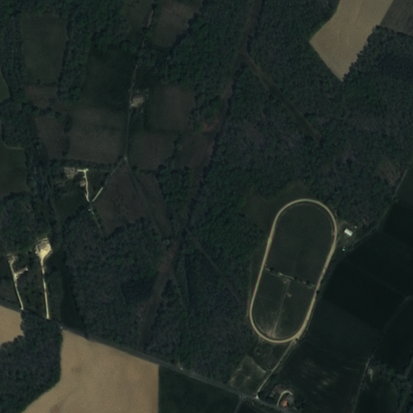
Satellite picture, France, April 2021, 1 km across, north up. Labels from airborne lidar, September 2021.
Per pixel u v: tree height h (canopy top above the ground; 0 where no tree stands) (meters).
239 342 14
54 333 23
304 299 0
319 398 0
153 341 14
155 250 23
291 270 0
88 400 0
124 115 0
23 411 13
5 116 16
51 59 0
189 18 0
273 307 0
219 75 24
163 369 0
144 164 0
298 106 15
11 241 21
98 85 0
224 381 8
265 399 14
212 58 24
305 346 0
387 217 12
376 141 22
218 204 24
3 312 0
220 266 24
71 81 21
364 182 27
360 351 0
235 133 17
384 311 0
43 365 21
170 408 0
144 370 0
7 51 16
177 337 15
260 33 14
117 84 0
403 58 24
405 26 0
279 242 0
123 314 21
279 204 0
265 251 0
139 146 0
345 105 18
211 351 15
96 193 14
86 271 15
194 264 17
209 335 19
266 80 0
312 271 0
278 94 0
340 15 0
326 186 24
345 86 24
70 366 0
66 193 6
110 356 0
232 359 20
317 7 22
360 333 0
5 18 25
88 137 0
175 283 12
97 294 20
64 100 21
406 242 0
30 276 20
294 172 19
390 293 0
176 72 19
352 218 22
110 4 19
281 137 25
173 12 0
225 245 28
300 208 0
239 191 23
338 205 24
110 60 0
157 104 0
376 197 26
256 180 21
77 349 0
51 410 0
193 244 24
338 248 0
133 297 17
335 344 0
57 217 25
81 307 13
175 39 0
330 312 0
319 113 8
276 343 0
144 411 0
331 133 20
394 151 23
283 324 0
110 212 0
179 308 21
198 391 0
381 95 23
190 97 0
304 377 0
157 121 0
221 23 27
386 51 17
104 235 8
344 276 0
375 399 0
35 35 0
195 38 27
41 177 29
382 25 0
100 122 0
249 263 16
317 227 0
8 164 0
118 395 0
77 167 14
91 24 26
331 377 0
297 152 21
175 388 0
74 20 23
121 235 22
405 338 0
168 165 7
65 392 0
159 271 20
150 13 0
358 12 0
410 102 23
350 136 20
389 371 18
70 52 14
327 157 24
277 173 24
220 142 20
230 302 14
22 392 24
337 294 0
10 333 0
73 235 21
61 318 0
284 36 15
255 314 0
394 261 0
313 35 21
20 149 12
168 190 27
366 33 0
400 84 23
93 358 0
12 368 16
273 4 20
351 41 0
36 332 20
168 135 0
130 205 0
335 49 0
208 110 22
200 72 23
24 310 0
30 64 0
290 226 0
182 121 0
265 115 6
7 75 22
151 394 0
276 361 0
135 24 0
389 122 23
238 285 21
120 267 16
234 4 26
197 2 0
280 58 19
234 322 22
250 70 24
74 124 0
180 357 20
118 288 16
